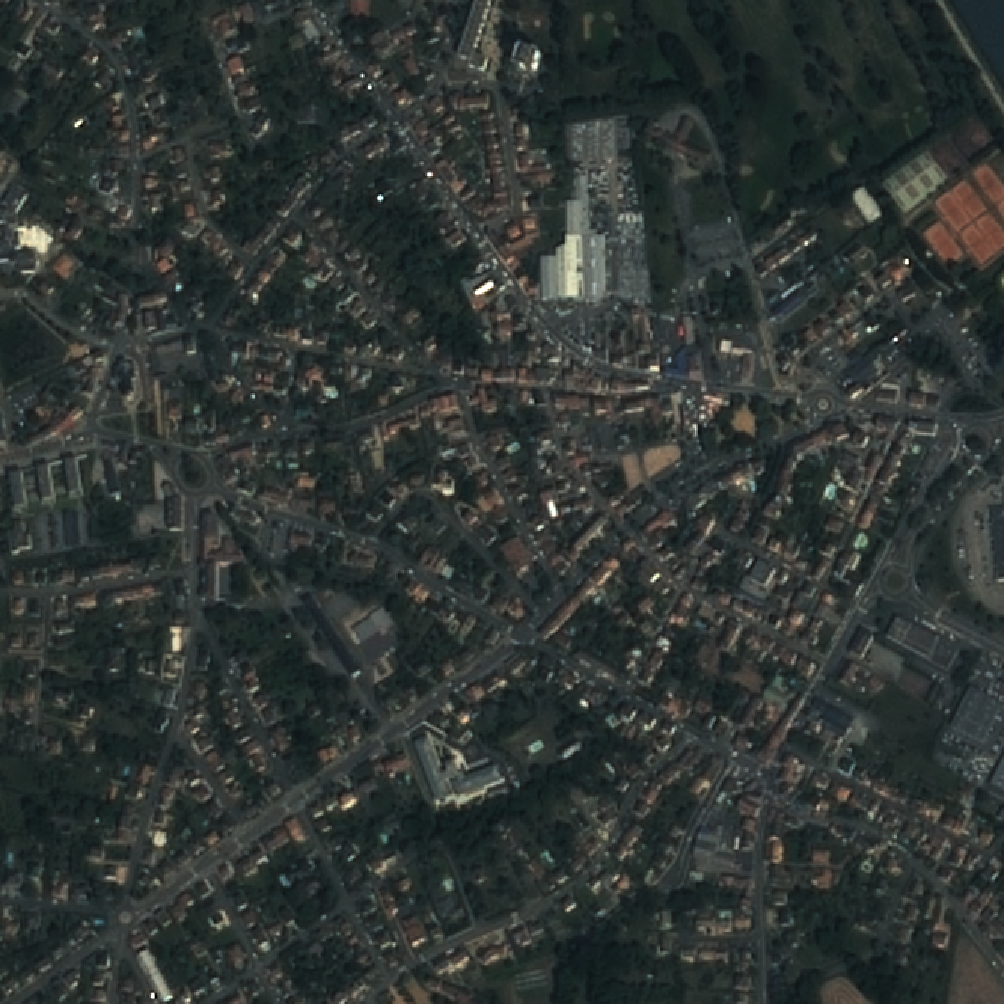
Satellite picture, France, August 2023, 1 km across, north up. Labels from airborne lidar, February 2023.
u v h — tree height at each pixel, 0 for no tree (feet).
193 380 20
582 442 0
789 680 18
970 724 0
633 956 51
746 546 0
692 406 0
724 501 21
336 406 39
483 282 0
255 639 0
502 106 0
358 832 25
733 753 0
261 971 0
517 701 47
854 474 0
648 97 49
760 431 39
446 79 0
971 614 0
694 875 0
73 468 0
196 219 0
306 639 0
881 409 0
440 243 52
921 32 0
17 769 0
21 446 33
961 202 0
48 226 23
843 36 0
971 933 0
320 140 28
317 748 41
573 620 18
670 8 0
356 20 40
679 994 20
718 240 0
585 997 0
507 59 30
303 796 0
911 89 0
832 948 52
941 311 0
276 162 23
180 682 0
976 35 0
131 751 18
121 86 36
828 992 0
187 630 0
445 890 0
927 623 0
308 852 0
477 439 0
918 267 23
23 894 38
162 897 0
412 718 0
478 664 0
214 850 0
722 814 0
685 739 0
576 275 0
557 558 0
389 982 0
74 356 0
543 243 0
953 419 0
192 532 0
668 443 0
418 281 72
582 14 0
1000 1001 0
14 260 0
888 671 0
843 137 0
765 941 0
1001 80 0
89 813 39
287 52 22
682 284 0
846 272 0
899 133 0
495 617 0
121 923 0
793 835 30
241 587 54
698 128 0
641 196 18
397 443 0
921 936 39
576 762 39
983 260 0
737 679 0
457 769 0
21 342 0
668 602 0
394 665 0
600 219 0
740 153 65
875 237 0
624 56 75
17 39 0
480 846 42
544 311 0
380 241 17
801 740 49
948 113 74
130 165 0
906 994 36
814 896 19
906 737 0
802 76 0
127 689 28
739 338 0
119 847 0
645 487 21
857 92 0
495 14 0
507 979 0
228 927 0
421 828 60
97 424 0
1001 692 0
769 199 0
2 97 0
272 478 0
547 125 34
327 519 18
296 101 48
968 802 0
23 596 0
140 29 0
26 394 0
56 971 0
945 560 0
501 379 0
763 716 40
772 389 0
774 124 0
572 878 38
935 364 33
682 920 46
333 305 18
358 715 34
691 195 0
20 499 0
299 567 30
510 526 22
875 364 0
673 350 0
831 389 0
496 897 40
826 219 0
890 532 25
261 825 0
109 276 49
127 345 0
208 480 0
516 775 0
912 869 0
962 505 0
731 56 126
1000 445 0
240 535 37
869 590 0
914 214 0
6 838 70
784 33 0
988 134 0
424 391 22
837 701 0
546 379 0
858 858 23
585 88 0
